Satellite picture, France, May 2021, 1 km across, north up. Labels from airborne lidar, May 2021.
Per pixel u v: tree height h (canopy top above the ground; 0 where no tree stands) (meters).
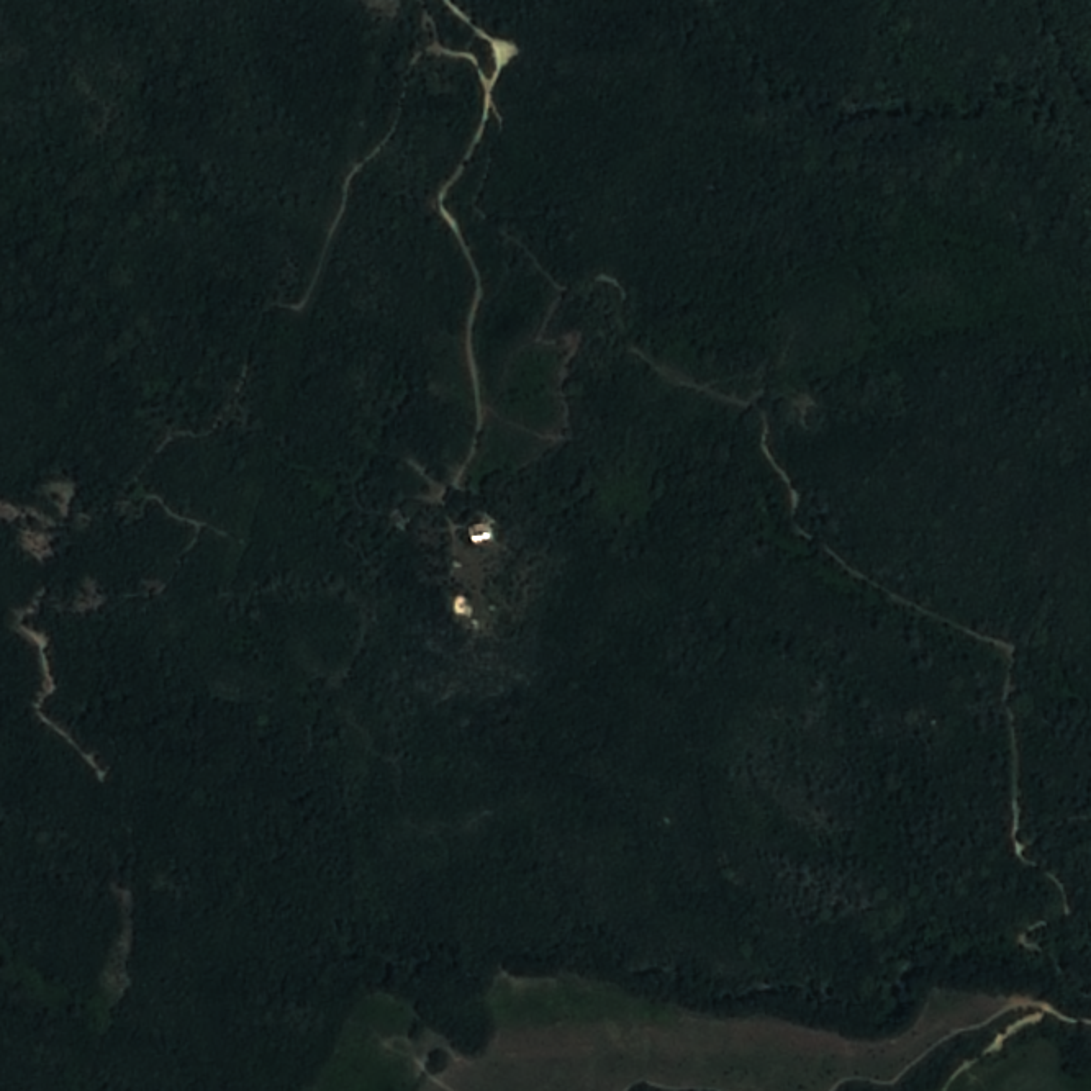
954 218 10
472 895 10
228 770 8
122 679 18
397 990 7
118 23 7
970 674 7
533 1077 0
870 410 8
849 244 13
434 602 5
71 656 13
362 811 12
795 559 9
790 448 7
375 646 8
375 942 14
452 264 6
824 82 13
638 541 8
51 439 7
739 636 10
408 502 10
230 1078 9
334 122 12
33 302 12
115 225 6
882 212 12
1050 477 9
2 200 14
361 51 11
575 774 23
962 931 11
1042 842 17
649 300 11
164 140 11
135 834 7
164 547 9
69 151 10
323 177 6
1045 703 6
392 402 9
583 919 14
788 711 6
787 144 21
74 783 10
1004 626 16
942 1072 11
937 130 17
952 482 6
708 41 11
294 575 12
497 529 6
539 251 7
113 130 11
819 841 6
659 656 9
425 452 6
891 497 7
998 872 6
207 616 8
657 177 8
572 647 9
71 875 12
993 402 9
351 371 7
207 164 8
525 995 0
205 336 9
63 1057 11
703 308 14
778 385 5
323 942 14
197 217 10
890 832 6
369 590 7
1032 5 20
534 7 15
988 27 6
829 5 13
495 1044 0
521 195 11
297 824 19
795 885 6
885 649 6
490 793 7
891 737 7
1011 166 9
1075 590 7
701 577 8
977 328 9
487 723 12
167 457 10
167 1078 8
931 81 14
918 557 8
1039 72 12
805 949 9
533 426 0
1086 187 9
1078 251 7
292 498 7
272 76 8
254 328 10
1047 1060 0
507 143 8
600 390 12
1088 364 10
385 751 7
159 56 8
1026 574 8
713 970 11
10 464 8
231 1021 10
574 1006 0
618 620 10
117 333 10
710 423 6
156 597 12
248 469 9
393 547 6
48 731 12
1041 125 17
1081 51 13
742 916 19
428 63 9
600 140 11
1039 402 10
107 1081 10
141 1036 9
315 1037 9
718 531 13
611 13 17
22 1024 9
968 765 7
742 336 6
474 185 6
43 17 8
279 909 12
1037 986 13
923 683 8
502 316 7
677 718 6
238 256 10
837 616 6
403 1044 0
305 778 10
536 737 13
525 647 7
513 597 7
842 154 14
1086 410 6
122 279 14
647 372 9
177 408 13
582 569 6
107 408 8
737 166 15
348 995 9
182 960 11
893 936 18
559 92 9
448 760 6
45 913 10
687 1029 0
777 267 10
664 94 6
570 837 8
